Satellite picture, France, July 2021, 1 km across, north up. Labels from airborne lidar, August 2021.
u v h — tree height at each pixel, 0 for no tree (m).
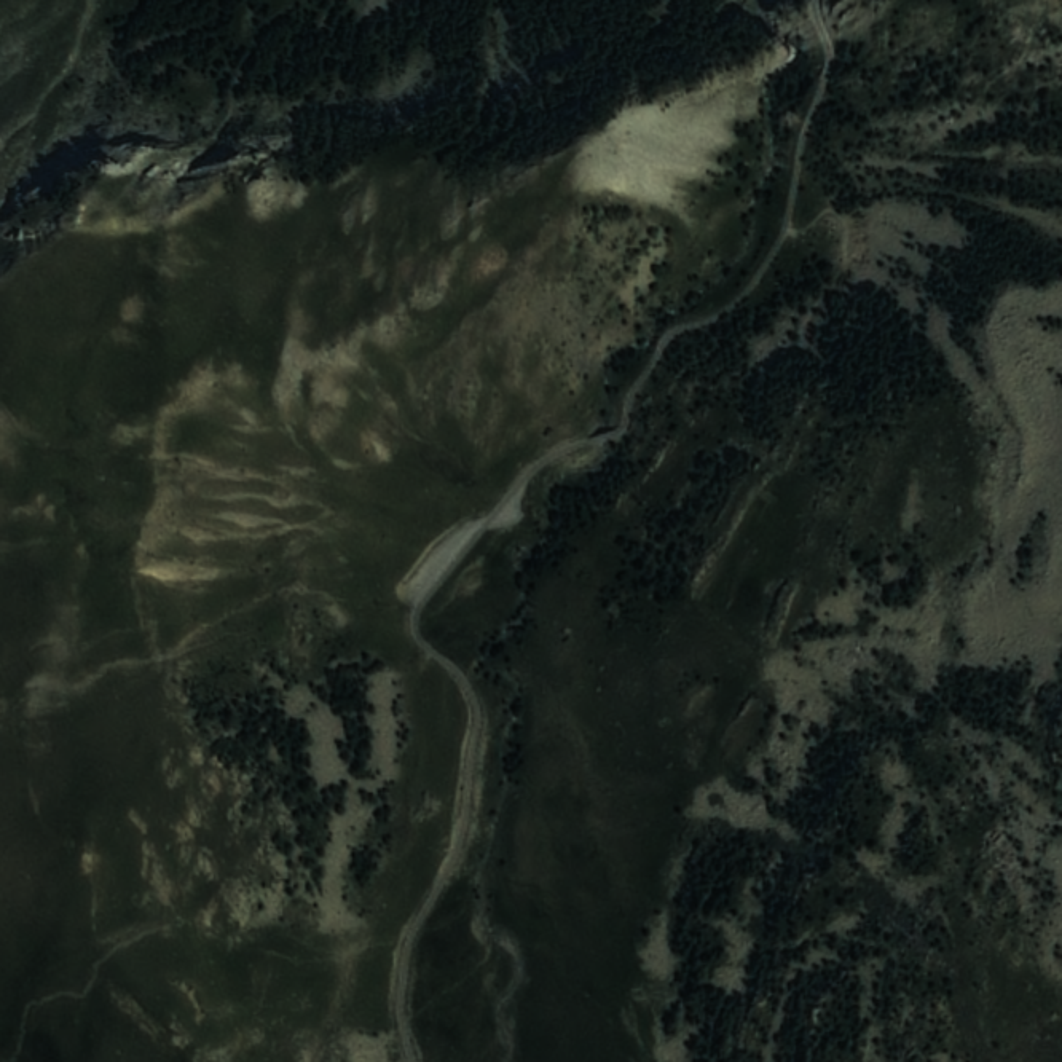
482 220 0
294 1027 0
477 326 0
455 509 0
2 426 0
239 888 0
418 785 0
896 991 9
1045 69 10
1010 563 0
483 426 0
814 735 8
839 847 12
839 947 8
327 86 8
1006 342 0
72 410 0
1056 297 0
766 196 9
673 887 0
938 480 0
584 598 0
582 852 0
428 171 0
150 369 0
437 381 0
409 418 0
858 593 0
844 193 7
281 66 11
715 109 0
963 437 0
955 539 0
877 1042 9
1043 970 0
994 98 9
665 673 0
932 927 9
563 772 0
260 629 0
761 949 10
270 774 9
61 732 0
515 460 0
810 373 7
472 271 0
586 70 17
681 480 0
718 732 0
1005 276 9
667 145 0
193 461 0
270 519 0
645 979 0
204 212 0
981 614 0
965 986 0
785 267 0
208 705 7
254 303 0
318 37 21
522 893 0
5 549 0
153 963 0
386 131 6
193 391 0
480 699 0
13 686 0
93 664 0
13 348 0
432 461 0
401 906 0
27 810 0
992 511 0
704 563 0
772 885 9
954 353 0
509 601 0
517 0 16
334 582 0
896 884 0
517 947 0
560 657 0
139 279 0
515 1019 0
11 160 0
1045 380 0
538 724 0
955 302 11
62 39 0
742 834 11
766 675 0
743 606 0
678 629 0
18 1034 0
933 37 0
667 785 0
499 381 0
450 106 13
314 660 0
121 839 0
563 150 0
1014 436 0
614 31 19
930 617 0
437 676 0
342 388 0
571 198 0
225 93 18
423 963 0
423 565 0
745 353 12
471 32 14
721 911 13
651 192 0
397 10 18
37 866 0
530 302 0
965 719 7
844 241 0
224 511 0
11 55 0
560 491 12
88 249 0
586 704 0
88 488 0
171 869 0
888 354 12
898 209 0
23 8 0
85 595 0
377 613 0
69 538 0
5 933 0
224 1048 0
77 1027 0
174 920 0
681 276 0
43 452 0
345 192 0
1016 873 0
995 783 0
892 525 0
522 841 0
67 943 0
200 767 0
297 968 0
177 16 20
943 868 0
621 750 0
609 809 0
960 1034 0
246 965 0
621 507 0
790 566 0
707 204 0
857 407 5
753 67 0
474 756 0
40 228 0
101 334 0
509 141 8
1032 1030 0
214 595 0
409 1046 0
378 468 0
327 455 0
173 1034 0
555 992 0
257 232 0
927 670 0
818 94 0
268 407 0
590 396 0
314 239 0
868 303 17
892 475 0
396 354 0
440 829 0
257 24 11
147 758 0
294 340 0
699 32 21
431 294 0
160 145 0
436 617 0
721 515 0
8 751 0
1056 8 0
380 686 0
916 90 15
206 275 0
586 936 0
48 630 0
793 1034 7
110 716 0
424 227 0
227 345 0
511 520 0
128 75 14
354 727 15
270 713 12
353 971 0
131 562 0
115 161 0
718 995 16
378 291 0
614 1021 0
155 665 0
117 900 0
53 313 0
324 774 0
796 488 0
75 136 0
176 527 0
